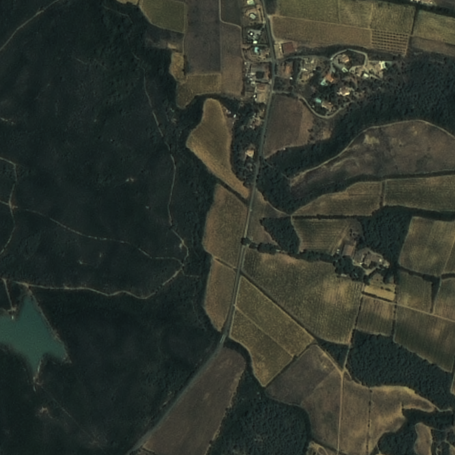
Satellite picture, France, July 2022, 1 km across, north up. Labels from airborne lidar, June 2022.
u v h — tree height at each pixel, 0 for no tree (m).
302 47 0
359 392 0
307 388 0
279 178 8
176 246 0
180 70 0
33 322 0
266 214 0
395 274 10
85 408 0
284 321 0
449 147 0
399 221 9
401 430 7
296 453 15
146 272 0
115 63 11
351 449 0
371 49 0
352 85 12
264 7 0
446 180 0
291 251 10
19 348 0
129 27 9
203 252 9
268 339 0
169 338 0
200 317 7
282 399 0
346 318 0
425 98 12
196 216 11
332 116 0
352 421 0
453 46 0
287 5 0
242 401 6
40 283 10
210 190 8
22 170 9
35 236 8
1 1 5
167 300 7
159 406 0
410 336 0
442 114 9
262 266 0
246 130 7
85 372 5
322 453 0
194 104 9
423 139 0
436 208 0
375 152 0
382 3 0
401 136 0
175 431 0
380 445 11
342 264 20
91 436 0
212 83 0
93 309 6
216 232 0
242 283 0
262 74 13
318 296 0
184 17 0
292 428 9
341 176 0
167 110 11
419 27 0
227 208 0
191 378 11
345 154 0
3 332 0
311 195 8
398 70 8
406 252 0
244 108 7
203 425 0
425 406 0
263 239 0
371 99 8
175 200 0
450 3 0
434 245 0
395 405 0
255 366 0
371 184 0
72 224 0
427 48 0
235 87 0
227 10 0
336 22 0
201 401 0
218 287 0
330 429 0
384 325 0
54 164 0
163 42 0
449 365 0
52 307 11
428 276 14
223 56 0
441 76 10
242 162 13
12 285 10
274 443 11
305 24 0
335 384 0
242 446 11
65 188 0
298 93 0
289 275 0
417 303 0
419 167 0
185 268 11
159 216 0
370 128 0
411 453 14
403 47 0
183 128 13
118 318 6
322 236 0
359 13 0
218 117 0
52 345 0
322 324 0
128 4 8
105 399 0
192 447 0
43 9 8
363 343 12
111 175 11
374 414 0
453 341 0
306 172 0
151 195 0
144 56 8
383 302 0
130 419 7
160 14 0
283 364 0
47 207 0
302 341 0
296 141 0
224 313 0
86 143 7
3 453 7
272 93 0
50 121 0
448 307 0
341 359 10
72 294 9
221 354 0
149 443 0
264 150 0
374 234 15
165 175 0
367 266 6
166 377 8
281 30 0
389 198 0
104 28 7
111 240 0
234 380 0
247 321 0
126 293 9
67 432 0
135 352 0
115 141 9
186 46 0
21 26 0
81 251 0
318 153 9
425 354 0
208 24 0
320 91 9
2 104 0
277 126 0
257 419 12
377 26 0
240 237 0
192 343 0
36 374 0
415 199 0
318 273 0
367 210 0
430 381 11
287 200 10
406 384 7
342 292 0
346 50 5
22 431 7
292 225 7
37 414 0
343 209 0
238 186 0
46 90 0
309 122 0
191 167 6
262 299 0
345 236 0
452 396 14
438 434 9
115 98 8
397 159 0
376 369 9
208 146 0
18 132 7
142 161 0
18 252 7
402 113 11
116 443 8
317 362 0
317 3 0
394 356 13
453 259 0
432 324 0
